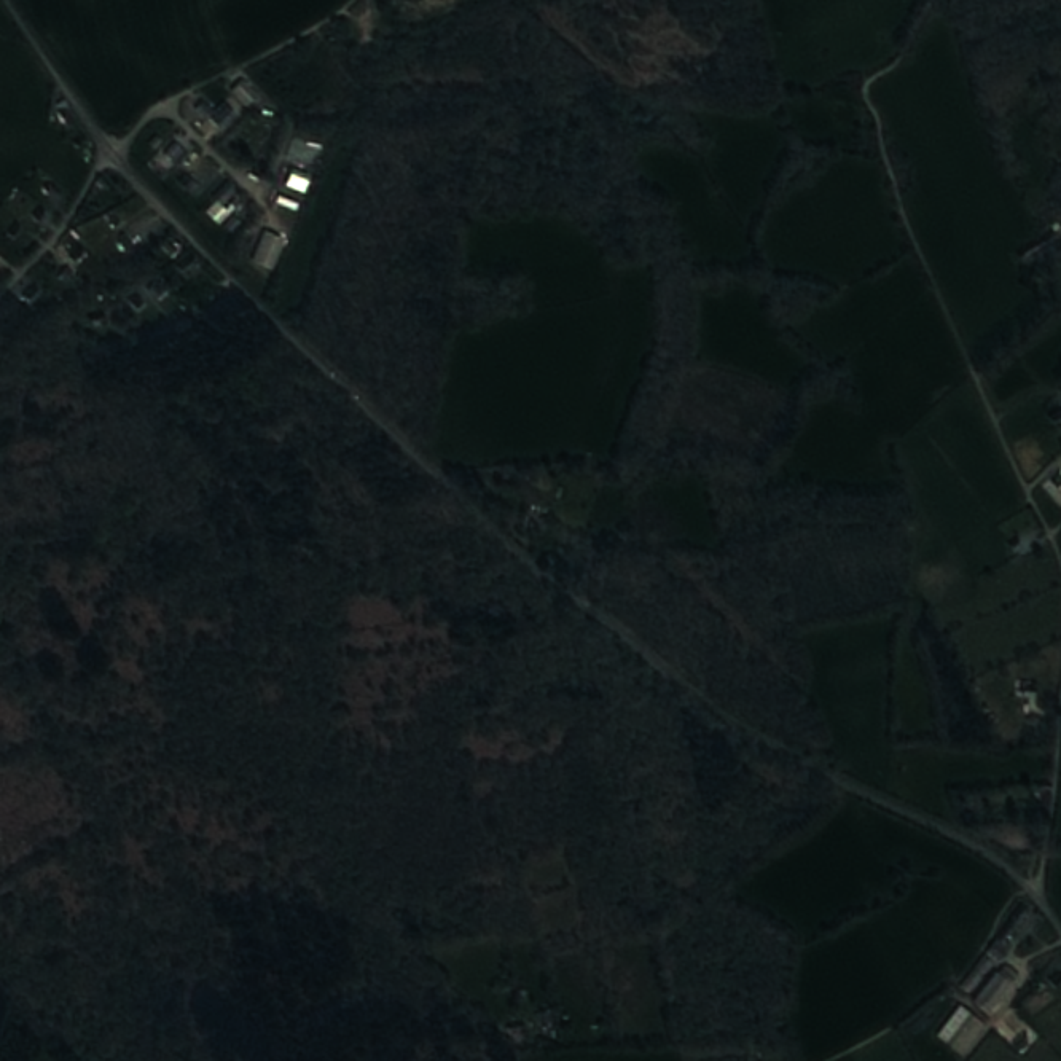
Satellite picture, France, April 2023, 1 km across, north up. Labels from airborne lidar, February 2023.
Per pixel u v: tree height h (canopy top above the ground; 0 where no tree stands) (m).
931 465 0
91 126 0
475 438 0
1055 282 29
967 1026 0
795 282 11
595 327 0
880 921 0
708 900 14
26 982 15
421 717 12
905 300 0
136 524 15
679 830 6
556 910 0
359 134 11
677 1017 15
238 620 13
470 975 0
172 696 17
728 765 27
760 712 14
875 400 0
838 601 12
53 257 6
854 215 0
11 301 15
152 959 10
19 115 0
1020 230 0
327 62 0
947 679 16
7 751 8
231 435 18
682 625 19
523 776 13
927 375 0
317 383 19
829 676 0
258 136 0
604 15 18
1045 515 0
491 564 16
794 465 0
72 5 0
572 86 16
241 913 20
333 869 12
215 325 24
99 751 10
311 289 11
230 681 12
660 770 6
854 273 0
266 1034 22
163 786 8
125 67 0
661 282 15
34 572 8
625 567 15
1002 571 0
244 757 13
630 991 0
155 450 19
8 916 14
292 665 13
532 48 15
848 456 0
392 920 9
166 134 0
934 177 0
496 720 13
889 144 6
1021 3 14
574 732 13
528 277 20
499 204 17
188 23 0
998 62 30
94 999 9
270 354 16
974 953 0
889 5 0
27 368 6
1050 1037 0
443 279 22
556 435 0
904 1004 0
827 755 15
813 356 12
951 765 0
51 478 13
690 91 13
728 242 0
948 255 0
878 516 16
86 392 14
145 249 6
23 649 9
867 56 0
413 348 25
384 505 17
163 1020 17
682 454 15
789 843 24
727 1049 16
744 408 0
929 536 0
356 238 17
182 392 16
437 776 13
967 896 0
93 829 10
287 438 13
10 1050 15
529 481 14
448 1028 10
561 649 14
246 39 0
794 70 0
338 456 14
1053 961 0
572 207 19
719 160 0
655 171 0
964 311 0
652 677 10
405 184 17
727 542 9
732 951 9
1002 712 0
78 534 17
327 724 14
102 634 10
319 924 25
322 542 9
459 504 16
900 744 11
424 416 19
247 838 9
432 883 12
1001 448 0
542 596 16
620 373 0
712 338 0
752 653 9
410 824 16
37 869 13
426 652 7
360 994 12
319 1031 29
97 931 12
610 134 20
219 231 0
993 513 0
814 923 0
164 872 10
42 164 0
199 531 17
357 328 23
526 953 0
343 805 11
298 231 0
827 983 0
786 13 0
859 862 0
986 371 23
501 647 14
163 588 11
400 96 13
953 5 15
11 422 14
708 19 13
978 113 11
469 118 23
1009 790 7
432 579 12
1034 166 0
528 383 0
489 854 16
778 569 13
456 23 12
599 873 14
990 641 0
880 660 0
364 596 15
